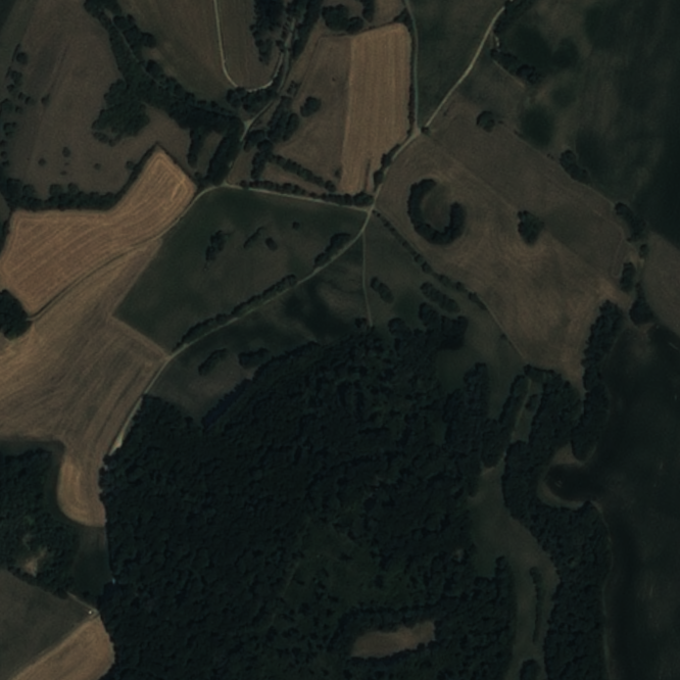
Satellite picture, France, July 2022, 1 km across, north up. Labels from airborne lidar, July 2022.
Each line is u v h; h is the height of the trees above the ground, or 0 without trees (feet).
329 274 0
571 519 68
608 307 65
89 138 0
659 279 0
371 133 0
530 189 0
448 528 91
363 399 82
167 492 73
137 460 48
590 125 0
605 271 0
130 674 82
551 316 0
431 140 0
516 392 45
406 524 94
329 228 0
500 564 45
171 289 0
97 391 0
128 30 57
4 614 0
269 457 86
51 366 0
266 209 0
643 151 0
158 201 0
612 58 0
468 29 0
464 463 64
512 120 0
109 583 0
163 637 94
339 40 0
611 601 0
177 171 0
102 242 0
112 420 0
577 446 59
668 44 0
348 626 85
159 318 0
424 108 0
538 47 0
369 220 0
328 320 0
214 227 0
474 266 0
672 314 0
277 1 53
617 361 0
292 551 30
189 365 0
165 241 0
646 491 0
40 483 74
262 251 0
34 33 0
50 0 0
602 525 59
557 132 0
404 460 62
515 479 67
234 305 0
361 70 0
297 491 56
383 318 0
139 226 0
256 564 93
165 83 33
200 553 100
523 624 0
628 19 0
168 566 80
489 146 0
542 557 0
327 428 94
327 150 0
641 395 0
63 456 0
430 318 56
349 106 0
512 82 0
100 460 0
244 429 72
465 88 0
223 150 51
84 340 0
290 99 24
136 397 0
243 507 64
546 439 65
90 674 0
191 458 39
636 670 0
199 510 79
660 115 0
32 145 0
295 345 0
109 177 0
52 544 52
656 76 0
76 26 0
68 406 0
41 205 41
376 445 86
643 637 0
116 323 0
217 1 0
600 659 82
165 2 0
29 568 0
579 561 32
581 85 0
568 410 54
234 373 0
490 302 0
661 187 0
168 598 89
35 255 0
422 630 0
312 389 80
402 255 0
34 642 0
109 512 57
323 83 0
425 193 54
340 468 86
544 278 0
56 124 0
